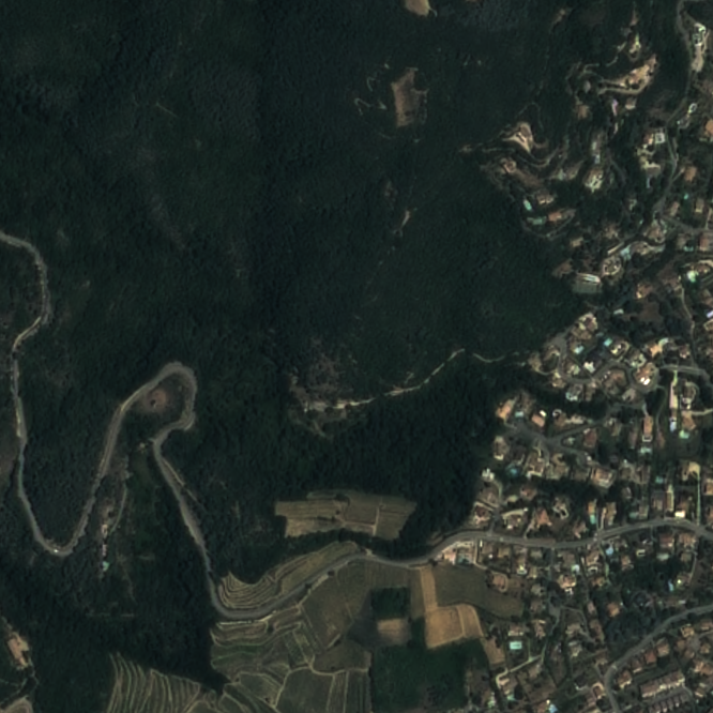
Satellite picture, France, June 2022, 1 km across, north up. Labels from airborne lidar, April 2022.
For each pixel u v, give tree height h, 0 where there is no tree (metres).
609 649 6
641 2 9
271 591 0
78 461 14
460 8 7
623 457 10
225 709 0
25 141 12
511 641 8
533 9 9
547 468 0
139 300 11
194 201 7
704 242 0
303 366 9
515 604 0
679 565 8
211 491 10
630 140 19
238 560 7
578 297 11
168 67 14
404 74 7
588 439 0
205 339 12
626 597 13
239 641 0
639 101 6
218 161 8
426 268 9
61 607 20
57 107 23
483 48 6
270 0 23
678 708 7
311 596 0
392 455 15
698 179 7
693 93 10
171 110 7
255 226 6
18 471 18
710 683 0
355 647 0
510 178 11
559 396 6
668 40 7
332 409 9
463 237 12
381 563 0
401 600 10
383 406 10
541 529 8
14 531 12
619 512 9
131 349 12
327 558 0
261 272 12
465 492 22
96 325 9
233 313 18
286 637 0
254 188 10
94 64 12
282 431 10
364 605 0
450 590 0
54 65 7
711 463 0
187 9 8
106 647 11
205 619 12
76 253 9
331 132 9
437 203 10
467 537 0
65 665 8
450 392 17
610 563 7
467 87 5
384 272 6
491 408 6
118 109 8
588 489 7
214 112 19
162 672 10
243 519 10
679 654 6
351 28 11
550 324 8
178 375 0
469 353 13
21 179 8
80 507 14
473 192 8
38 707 10
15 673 8
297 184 8
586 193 8
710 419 0
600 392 9
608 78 10
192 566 18
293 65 11
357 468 16
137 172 17
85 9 10
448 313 11
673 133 15
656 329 18
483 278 7
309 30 11
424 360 7
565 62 7
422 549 10
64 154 12
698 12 11
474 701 7
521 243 12
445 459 21
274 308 18
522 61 6
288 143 10
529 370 8
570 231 7
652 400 16
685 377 8
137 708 0
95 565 16
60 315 12
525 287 7
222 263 14
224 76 18
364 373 8
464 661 6
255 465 16
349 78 6
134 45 12
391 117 6
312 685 0
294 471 19
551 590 14
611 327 5
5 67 7
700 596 8
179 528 14
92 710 6
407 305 7
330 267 9
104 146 7
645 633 19
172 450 6
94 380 8
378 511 0
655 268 15
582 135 10
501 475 7
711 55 7
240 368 11
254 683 0
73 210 10
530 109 7
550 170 8
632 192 14
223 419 19
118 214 22
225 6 11
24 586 22
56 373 14
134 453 8
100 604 15
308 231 13
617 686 10
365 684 0
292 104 9
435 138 8
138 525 7
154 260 8
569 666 6
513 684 0
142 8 8
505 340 11
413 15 7
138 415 7
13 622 9
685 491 6
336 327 8
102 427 7
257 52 9
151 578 6
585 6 12
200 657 15
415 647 10
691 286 9
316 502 0
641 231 7
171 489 7
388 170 6
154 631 12
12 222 12
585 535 9
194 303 8
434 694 8
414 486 17
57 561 11
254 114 19
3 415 5
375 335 8
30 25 7
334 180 6
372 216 10
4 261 9
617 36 8
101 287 8
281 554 6
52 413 15
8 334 10
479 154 11
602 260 9
